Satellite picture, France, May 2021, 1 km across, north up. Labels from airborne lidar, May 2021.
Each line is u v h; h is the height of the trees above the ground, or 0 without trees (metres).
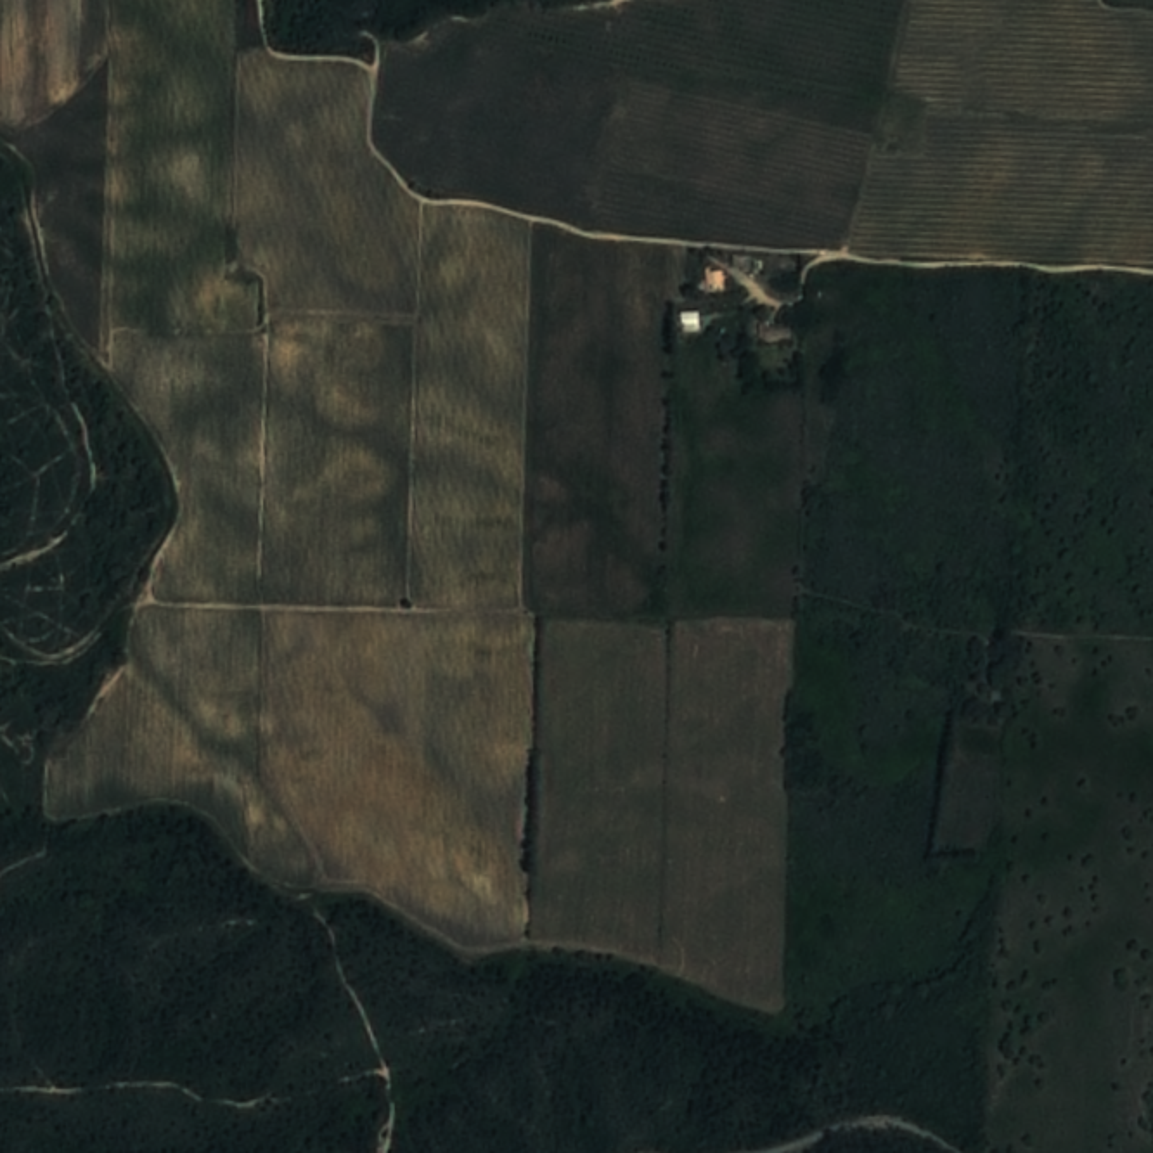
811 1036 9
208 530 0
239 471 0
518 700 0
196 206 0
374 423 0
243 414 0
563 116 0
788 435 0
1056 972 0
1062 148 0
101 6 0
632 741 0
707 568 0
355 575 0
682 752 0
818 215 0
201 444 0
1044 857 0
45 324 11
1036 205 0
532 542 0
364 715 0
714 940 0
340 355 0
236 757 0
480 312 0
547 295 0
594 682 0
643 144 0
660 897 0
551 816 0
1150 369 6
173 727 0
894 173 0
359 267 0
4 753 0
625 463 0
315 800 0
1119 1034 0
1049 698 0
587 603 0
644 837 0
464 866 0
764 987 0
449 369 0
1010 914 0
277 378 0
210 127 0
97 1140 11
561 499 0
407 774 0
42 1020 9
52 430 8
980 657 7
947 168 0
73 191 0
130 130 0
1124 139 0
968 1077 7
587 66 0
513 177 0
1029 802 0
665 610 0
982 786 0
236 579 0
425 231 0
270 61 0
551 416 0
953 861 15
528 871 19
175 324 0
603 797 0
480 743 0
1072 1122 0
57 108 0
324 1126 8
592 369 0
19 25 0
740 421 0
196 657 0
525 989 10
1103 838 0
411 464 0
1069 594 7
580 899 0
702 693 0
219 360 0
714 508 0
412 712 0
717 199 0
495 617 0
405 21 6
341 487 0
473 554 0
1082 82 0
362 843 0
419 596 0
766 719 0
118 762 0
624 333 0
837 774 11
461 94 0
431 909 0
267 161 0
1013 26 0
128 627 0
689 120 0
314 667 0
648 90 0
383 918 8
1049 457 6
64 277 0
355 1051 0
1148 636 0
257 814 0
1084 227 0
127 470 7
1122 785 0
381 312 0
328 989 8
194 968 8
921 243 0
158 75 0
